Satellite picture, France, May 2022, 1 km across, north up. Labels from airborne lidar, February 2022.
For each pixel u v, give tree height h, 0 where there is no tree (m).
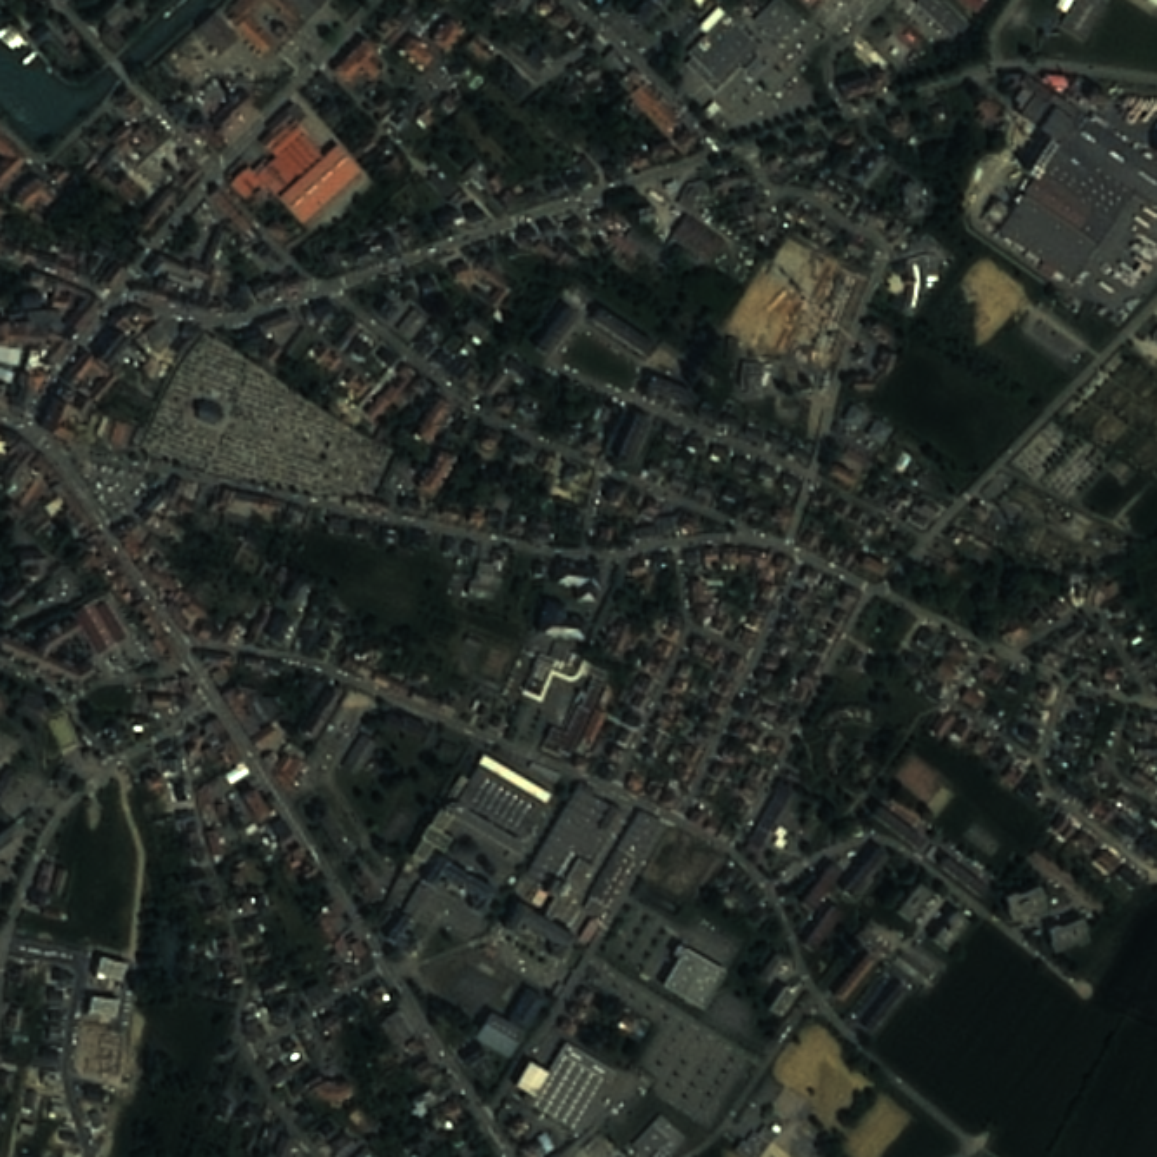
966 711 0
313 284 0
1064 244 0
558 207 0
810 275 0
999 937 0
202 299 0
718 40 0
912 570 16
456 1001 0
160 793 8
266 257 0
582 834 0
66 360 0
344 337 0
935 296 0
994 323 0
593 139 6
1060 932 0
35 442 0
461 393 0
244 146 0
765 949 9
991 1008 0
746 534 0
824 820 10
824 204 0
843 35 0
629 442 0
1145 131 0
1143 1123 0
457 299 6
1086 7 0
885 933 0
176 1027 0
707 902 9
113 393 0
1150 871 0
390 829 0
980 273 0
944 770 0
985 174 0
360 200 6
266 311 0
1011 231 0
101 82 0
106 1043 0
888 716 0
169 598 0
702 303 0
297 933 0
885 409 0
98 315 0
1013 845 0
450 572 0
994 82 0
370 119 6
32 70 0
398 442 12
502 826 0
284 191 0
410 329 0
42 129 0
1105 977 0
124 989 0
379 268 0
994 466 0
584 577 0
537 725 0
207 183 0
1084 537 0
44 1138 0
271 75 0
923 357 0
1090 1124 0
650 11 0
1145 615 17
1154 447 0
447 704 0
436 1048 0
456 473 8
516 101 0
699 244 0
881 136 6
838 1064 0
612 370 0
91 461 0
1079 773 6
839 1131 7
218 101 0
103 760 0
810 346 0
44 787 0
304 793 0
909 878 17
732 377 0
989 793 0
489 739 0
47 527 0
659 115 0
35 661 0
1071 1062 0
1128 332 0
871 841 0
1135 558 0
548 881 0
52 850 0
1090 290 0
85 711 10
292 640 0
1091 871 0
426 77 0
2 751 0
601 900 0
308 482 0
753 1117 0
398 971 0
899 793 15
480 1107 0
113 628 0
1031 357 0
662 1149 0
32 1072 0
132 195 0
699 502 0
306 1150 0
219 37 0
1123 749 0
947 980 0
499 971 0
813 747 0
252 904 0
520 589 9
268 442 0
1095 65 0
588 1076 0
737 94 0
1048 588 15
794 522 0
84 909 0
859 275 0
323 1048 0
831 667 0
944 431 0
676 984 0
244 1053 0
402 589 0
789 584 0
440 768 22
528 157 0
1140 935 0
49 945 0
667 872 0
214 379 0
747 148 0
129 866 0
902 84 11
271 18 0
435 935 0
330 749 0
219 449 0
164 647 0
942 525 0
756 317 0
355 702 0
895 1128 0
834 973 0
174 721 0
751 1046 0
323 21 0
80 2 8
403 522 0
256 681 0
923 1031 0
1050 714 0
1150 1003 0
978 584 0
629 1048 12
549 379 9
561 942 0
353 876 12
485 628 0
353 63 0
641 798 0
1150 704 0
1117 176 0
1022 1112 0
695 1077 0
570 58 0
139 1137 8
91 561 0
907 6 0
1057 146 0
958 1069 0
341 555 0
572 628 0
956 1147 0
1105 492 0
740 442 0
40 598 10
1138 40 0
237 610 0
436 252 0
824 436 0
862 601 0
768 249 10
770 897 0
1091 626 0
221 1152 9
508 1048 0
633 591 10
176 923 13
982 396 0
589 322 0
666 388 0
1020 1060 0
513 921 0
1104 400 0
